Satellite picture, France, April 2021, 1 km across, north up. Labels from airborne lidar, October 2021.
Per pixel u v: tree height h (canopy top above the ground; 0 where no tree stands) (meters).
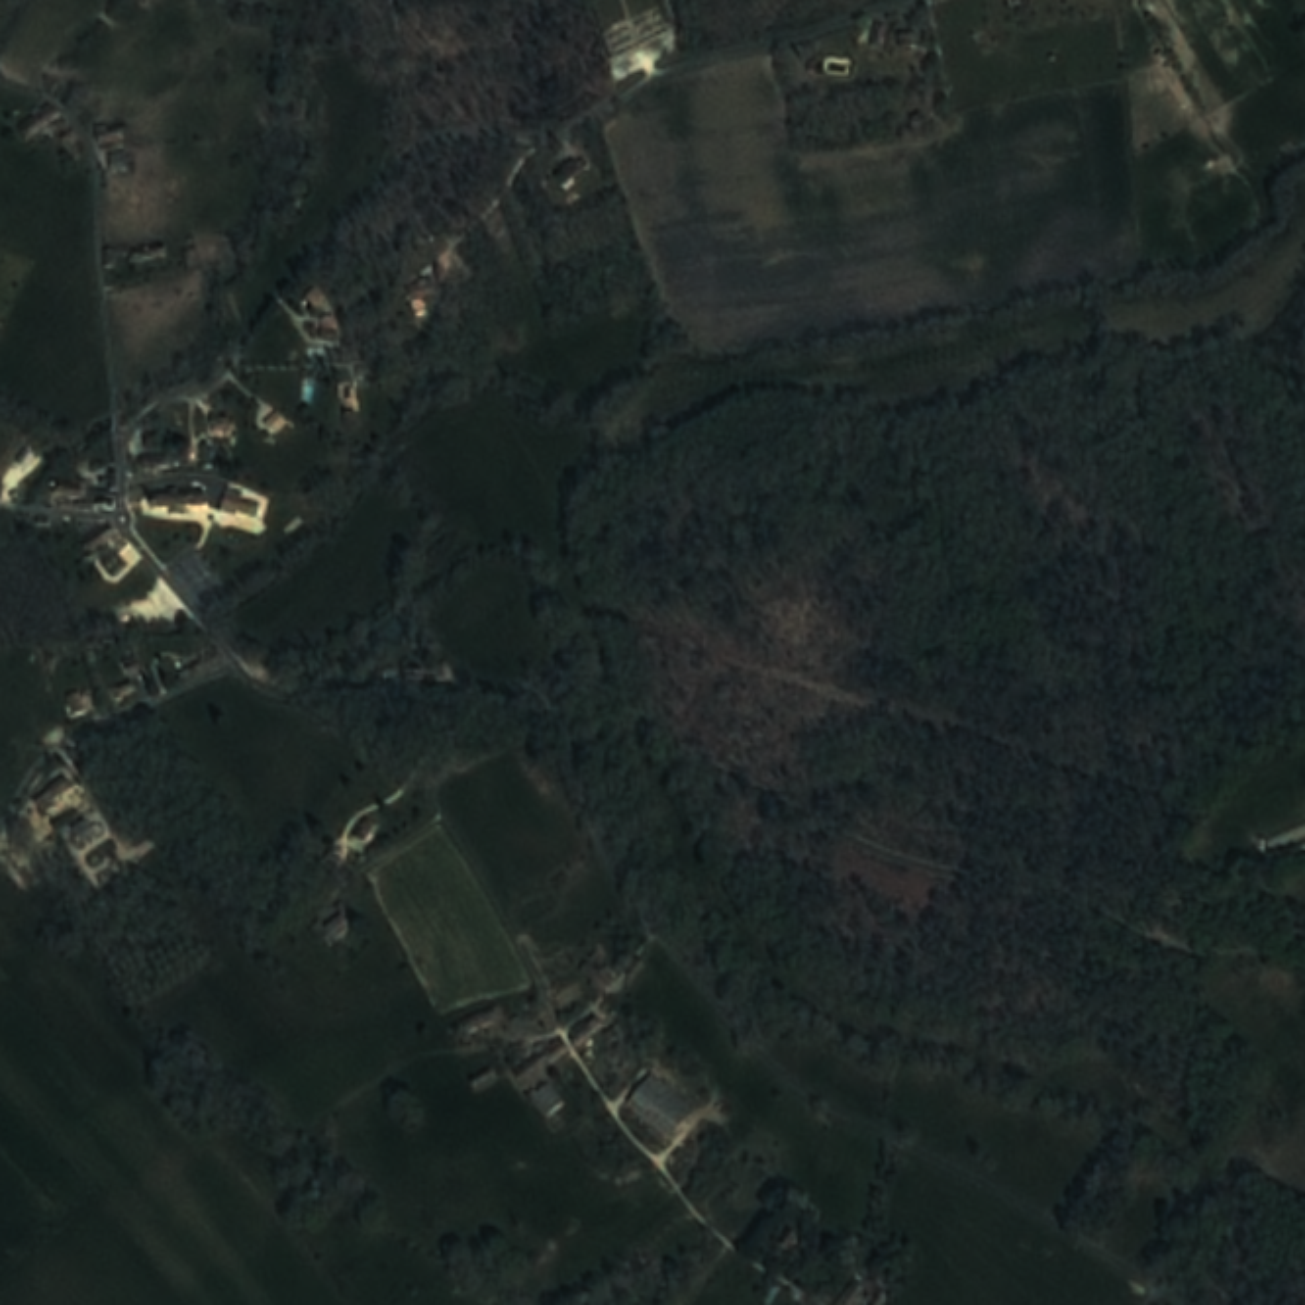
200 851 25
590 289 20
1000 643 22
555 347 0
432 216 12
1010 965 9
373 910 0
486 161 12
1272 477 17
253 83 0
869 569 12
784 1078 0
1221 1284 25
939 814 24
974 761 25
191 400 0
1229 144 0
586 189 0
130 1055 0
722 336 0
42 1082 0
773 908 28
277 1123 20
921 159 0
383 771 17
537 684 14
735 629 24
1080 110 0
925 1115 0
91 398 0
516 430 0
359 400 0
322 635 0
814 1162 0
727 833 20
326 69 0
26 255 0
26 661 0
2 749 0
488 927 0
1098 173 0
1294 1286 21
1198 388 18
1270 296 0
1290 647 27
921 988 11
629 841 24
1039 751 24
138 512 0
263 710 0
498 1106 0
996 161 0
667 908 26
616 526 19
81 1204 0
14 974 0
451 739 19
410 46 11
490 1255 20
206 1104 22
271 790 0
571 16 11
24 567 0
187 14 0
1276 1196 27
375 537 0
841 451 20
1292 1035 0
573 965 0
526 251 18
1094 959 14
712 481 23
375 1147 0
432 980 0
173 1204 0
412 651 9
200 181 0
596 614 9
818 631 6
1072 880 16
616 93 0
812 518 22
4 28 0
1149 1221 0
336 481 19
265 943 10
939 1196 0
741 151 0
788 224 0
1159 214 0
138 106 0
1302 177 18
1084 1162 0
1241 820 0
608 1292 18
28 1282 0
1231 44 0
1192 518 26
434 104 15
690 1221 0
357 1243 0
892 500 13
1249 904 15
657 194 0
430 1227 0
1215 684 23
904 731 22
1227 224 0
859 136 16
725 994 15
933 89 15
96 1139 0
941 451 22
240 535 0
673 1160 0
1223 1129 26
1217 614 27
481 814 0
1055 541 22
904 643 16
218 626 18
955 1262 0
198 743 0
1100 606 24
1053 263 0
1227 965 10
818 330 0
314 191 11
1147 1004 24
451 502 0
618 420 12
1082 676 14
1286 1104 0
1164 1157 21
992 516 22
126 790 28
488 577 0
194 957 21
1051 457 27
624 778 28
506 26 9
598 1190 0
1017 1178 0
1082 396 18
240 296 0
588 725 22
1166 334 0
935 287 0
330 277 21
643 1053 7
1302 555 16
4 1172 0
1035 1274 0
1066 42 0
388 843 11
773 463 19
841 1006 21
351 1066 0
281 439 0
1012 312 13
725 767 11
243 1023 0
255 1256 0
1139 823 26
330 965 0
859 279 0
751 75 0
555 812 0
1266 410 22
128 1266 0
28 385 0
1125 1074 23
